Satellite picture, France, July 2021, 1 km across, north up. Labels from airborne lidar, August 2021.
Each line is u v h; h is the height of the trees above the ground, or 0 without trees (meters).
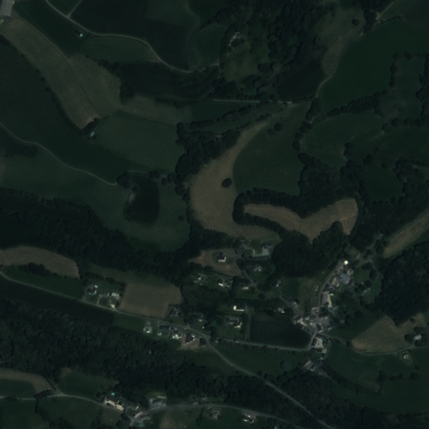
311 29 11
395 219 25
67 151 0
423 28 0
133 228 0
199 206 0
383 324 0
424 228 0
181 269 14
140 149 0
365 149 0
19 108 0
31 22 0
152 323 0
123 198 0
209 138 17
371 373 0
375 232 29
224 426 0
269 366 0
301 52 31
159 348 20
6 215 16
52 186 0
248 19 26
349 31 0
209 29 0
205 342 13
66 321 26
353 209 0
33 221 20
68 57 0
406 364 0
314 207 29
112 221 0
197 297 22
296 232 13
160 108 0
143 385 21
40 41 0
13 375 0
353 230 10
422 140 0
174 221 0
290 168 0
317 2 20
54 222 19
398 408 0
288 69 16
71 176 0
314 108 17
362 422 16
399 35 0
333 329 8
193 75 10
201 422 12
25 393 0
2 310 23
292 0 20
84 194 0
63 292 0
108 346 25
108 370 21
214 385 21
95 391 0
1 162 0
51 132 0
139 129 0
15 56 0
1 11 0
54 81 0
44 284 0
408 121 12
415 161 12
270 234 0
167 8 0
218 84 20
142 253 12
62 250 25
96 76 0
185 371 30
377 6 12
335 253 8
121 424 16
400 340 0
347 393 0
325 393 25
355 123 0
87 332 25
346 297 12
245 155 0
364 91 0
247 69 0
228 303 31
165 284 0
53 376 19
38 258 0
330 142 0
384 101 0
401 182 14
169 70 7
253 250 0
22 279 0
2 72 0
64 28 0
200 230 20
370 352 0
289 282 0
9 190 10
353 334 0
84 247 25
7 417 0
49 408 0
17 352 22
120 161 0
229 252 0
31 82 0
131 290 0
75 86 0
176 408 0
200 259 0
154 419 0
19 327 22
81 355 28
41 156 0
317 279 0
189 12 0
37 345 27
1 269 14
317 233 0
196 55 0
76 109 0
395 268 28
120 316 0
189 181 20
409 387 0
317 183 29
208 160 23
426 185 24
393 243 0
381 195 0
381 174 0
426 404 0
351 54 0
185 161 21
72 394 0
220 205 0
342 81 0
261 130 0
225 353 0
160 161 0
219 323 9
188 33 0
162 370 26
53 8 0
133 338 21
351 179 29
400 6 0
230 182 19
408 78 0
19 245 19
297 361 0
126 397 16
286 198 26
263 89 22
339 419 22
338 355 0
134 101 0
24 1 0
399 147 0
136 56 0
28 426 0
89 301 0
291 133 0
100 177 0
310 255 24
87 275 13
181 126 19
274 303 17
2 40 15
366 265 8
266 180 0
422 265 21
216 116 0
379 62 0
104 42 0
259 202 20
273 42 23
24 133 0
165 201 0
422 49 0
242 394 24
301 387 26
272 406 22
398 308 21
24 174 0
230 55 0
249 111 11
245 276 11
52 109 0
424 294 21
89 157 0
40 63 0
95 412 0
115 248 20
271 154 0
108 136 0
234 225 0
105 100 0
